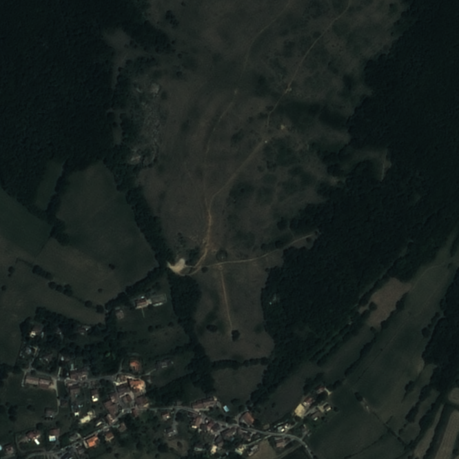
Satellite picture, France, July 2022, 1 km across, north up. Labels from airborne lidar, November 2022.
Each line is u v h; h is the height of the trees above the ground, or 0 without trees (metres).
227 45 0
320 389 0
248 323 0
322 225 18
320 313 10
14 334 0
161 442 9
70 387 0
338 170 15
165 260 13
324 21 0
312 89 0
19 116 27
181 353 12
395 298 0
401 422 0
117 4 18
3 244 0
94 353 20
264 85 0
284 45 0
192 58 0
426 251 18
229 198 0
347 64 0
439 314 9
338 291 18
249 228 0
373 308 13
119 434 6
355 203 18
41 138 24
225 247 0
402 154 21
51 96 17
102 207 0
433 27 24
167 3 0
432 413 17
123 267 0
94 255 0
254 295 0
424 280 0
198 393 0
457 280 18
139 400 0
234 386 0
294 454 0
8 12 25
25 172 25
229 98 0
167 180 0
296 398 0
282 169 0
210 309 0
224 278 0
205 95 0
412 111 20
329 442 0
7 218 0
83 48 17
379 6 0
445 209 18
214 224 0
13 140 25
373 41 0
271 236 0
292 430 7
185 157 0
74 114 22
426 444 0
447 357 12
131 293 21
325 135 0
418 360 0
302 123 0
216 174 0
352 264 18
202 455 12
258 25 0
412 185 12
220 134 0
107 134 18
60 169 0
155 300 0
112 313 11
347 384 0
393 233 16
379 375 0
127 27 13
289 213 0
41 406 0
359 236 18
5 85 26
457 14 20
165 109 0
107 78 12
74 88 12
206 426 0
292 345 17
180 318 16
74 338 19
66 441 0
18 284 0
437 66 17
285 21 0
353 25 0
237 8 0
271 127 0
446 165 21
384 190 16
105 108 15
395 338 0
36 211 16
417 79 14
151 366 0
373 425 0
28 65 18
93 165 15
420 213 18
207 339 0
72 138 24
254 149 0
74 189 0
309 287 24
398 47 18
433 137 22
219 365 19
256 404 18
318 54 0
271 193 0
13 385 0
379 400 0
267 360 13
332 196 15
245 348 0
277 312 7
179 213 0
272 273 13
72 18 15
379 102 9
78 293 0
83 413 0
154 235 14
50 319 19
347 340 12
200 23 0
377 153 0
